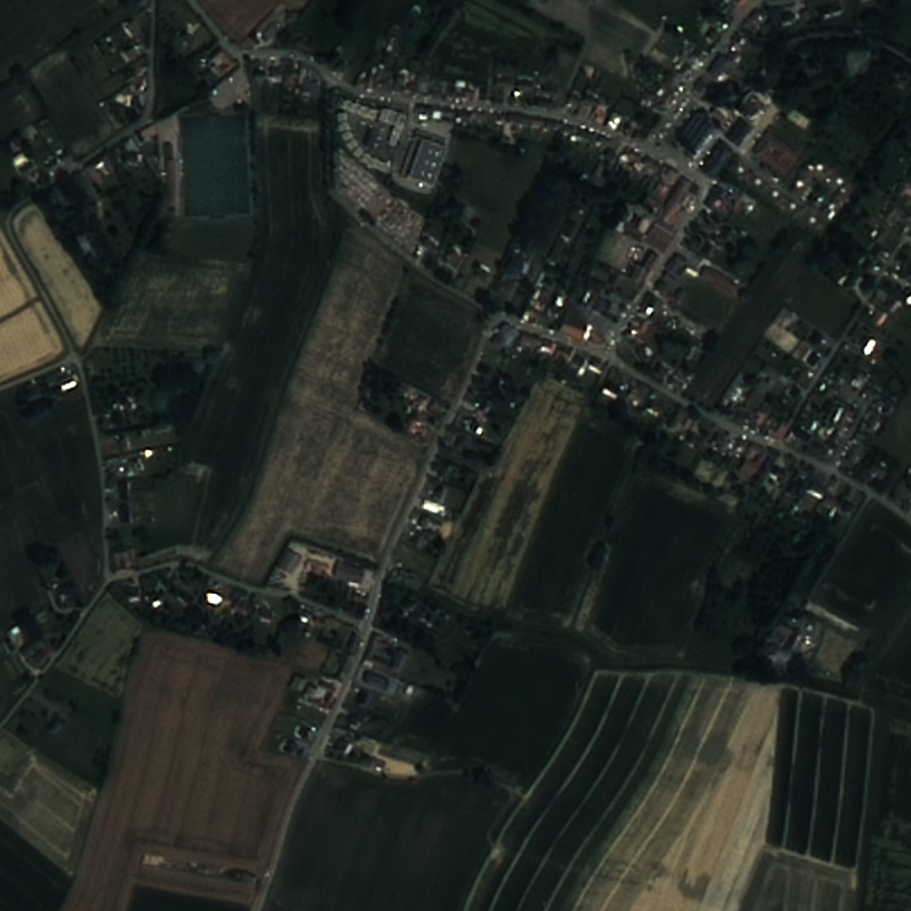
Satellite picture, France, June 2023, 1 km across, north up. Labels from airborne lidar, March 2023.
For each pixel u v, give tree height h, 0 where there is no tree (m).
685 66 0
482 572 0
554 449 0
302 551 0
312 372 0
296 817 0
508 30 0
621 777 0
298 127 0
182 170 0
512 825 0
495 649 0
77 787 0
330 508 0
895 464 7
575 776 0
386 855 0
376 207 0
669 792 0
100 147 0
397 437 0
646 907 0
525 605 0
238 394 0
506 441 0
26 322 0
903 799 0
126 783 0
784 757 0
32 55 0
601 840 0
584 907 0
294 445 0
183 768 0
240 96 0
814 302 0
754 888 0
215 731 0
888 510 0
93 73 0
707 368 0
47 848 0
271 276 0
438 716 0
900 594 0
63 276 0
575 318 0
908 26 0
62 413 0
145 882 0
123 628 0
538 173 0
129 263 6
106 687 0
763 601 15
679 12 0
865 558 0
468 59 0
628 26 0
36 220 0
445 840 0
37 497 0
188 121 0
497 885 0
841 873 0
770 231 0
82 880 0
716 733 0
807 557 15
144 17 0
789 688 0
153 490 0
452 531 0
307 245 0
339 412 0
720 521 0
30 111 0
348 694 0
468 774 10
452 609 0
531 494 0
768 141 0
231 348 0
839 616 0
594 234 11
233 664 0
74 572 0
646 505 0
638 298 0
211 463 0
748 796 0
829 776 0
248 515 0
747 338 0
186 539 0
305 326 0
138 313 0
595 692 0
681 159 0
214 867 0
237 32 0
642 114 10
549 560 0
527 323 0
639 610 0
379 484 0
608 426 0
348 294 0
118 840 0
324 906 0
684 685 0
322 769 0
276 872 0
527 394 7
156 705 0
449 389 0
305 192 0
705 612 6
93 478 0
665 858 0
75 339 0
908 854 0
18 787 0
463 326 0
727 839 0
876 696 0
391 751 0
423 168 0
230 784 0
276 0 0
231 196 0
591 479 0
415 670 0
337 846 0
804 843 0
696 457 0
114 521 0
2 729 0
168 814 0
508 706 0
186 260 0
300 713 0
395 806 0
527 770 0
